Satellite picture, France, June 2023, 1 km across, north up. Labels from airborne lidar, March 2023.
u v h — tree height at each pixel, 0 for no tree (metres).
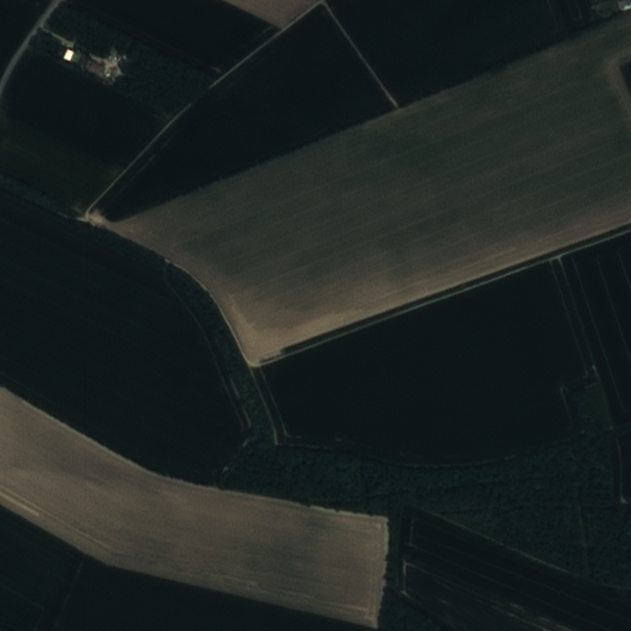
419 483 14
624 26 0
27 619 0
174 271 8
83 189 0
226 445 0
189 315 0
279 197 0
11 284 0
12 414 0
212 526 0
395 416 0
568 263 0
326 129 0
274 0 0
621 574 14
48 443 0
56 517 0
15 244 0
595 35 0
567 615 0
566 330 0
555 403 0
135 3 0
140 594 0
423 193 0
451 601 0
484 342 0
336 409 0
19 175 0
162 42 0
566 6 0
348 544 0
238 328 0
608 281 0
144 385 0
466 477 14
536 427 0
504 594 0
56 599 0
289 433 0
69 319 0
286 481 7
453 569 0
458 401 0
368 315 0
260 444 12
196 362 0
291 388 0
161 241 0
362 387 0
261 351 0
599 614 0
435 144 0
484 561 0
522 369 0
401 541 0
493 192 0
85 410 0
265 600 0
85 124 0
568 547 11
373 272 0
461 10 0
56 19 17
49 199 7
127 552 0
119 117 0
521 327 0
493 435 0
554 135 0
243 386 11
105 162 0
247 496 0
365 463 18
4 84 0
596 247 0
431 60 0
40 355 0
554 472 15
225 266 0
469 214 0
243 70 0
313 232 0
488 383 0
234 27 0
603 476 15
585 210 0
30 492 0
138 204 0
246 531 0
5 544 0
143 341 0
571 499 16
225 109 0
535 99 0
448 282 0
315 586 0
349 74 0
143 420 0
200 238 0
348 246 0
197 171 0
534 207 0
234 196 0
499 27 0
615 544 12
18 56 0
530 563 0
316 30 0
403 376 0
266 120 0
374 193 0
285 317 0
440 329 0
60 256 0
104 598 0
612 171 0
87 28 16
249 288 0
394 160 0
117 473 0
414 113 0
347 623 0
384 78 0
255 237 0
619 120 0
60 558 0
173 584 0
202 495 0
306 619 0
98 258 0
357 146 0
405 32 0
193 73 14
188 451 0
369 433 0
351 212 0
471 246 0
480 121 0
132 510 0
